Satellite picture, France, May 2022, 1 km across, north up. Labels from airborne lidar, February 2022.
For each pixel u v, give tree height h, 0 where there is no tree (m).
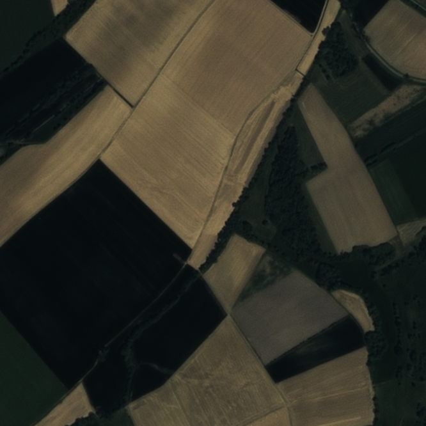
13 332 0
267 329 0
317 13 0
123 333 0
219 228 0
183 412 0
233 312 0
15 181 0
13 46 0
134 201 0
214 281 0
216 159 0
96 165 0
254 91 0
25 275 0
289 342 0
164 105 0
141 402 0
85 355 0
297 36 0
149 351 0
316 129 0
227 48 0
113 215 0
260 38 0
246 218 0
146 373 0
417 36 0
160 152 0
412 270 0
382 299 0
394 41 0
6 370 0
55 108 0
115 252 0
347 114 0
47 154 0
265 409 0
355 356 0
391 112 0
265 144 0
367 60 0
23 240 0
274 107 0
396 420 0
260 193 0
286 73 0
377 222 0
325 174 0
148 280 0
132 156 0
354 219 0
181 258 0
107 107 0
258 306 0
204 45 0
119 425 0
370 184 0
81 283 0
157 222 0
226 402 0
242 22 0
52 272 0
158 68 0
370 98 0
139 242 0
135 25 0
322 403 0
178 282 0
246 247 0
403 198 0
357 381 0
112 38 0
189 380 0
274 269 0
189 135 0
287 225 5
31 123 0
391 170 0
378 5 0
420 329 0
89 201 0
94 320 0
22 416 0
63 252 0
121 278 0
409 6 0
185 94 0
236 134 0
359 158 0
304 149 0
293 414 0
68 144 0
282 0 0
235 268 0
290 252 0
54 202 0
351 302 0
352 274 0
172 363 0
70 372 0
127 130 0
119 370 0
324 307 0
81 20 0
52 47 0
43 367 0
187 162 0
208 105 0
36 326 0
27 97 0
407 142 0
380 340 12
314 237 6
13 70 0
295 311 0
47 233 0
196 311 0
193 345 0
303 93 0
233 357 0
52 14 0
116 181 0
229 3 0
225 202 0
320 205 0
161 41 0
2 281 0
